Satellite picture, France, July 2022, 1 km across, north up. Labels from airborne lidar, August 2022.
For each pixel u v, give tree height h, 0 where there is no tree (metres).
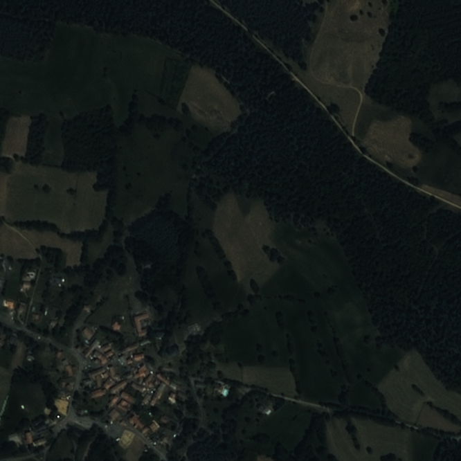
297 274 0
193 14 22
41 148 10
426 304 12
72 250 0
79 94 0
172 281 15
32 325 14
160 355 12
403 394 0
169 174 0
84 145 11
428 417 0
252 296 15
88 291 0
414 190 8
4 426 0
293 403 6
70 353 0
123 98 0
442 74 15
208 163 17
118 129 12
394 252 14
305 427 0
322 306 0
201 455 15
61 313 12
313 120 24
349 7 0
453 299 23
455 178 0
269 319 0
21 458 0
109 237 0
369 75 0
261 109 24
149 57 0
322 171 10
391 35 14
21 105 0
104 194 0
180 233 21
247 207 0
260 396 10
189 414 0
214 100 0
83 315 0
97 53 0
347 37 0
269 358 0
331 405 13
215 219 0
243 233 0
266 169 11
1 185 0
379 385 0
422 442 0
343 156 18
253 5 30
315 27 0
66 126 11
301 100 18
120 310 0
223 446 19
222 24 25
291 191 11
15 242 0
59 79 0
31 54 15
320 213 16
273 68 23
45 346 0
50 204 0
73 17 20
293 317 0
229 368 0
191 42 16
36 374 11
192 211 17
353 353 0
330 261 0
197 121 0
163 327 10
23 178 0
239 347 0
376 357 0
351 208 11
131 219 0
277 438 0
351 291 0
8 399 0
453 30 16
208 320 0
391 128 0
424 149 12
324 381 0
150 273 24
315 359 0
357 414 18
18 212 0
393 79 23
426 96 14
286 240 0
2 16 24
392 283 13
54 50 0
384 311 16
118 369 0
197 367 0
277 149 15
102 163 15
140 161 0
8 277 0
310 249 0
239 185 23
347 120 0
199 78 0
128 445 0
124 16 15
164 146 0
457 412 0
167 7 22
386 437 0
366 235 9
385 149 0
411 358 0
